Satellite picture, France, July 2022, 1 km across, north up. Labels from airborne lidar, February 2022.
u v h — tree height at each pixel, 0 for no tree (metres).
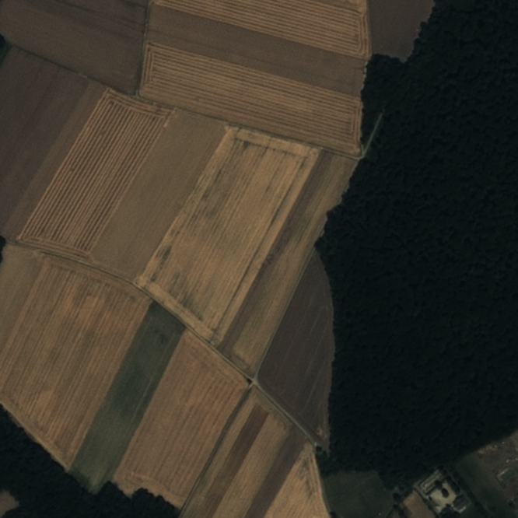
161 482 0
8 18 0
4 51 0
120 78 0
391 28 0
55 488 19
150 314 0
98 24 0
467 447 14
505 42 26
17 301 0
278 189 0
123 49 0
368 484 0
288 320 0
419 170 21
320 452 13
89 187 0
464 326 24
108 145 0
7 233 0
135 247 0
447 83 21
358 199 20
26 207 0
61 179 0
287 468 0
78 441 0
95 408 0
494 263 19
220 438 0
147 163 0
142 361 0
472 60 21
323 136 0
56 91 0
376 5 0
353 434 23
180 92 0
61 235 0
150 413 0
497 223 21
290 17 0
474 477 0
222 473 0
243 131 0
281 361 0
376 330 23
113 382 0
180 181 0
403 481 18
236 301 0
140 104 0
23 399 0
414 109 20
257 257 0
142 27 0
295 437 0
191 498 0
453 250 21
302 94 0
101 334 0
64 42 0
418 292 25
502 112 23
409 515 0
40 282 0
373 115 15
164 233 0
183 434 0
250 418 0
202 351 0
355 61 0
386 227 23
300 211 0
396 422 27
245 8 0
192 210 0
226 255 0
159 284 0
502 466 0
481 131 23
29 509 22
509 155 25
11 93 0
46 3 0
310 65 0
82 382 0
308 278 0
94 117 0
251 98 0
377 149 16
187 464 0
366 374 22
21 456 18
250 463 0
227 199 0
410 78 24
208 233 0
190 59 0
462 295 23
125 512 23
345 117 0
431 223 23
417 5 0
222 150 0
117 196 0
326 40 0
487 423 26
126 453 0
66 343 0
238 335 0
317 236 0
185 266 0
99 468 0
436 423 27
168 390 0
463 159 23
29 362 0
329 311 0
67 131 0
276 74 0
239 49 0
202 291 0
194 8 0
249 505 0
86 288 0
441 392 25
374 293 25
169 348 0
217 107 0
